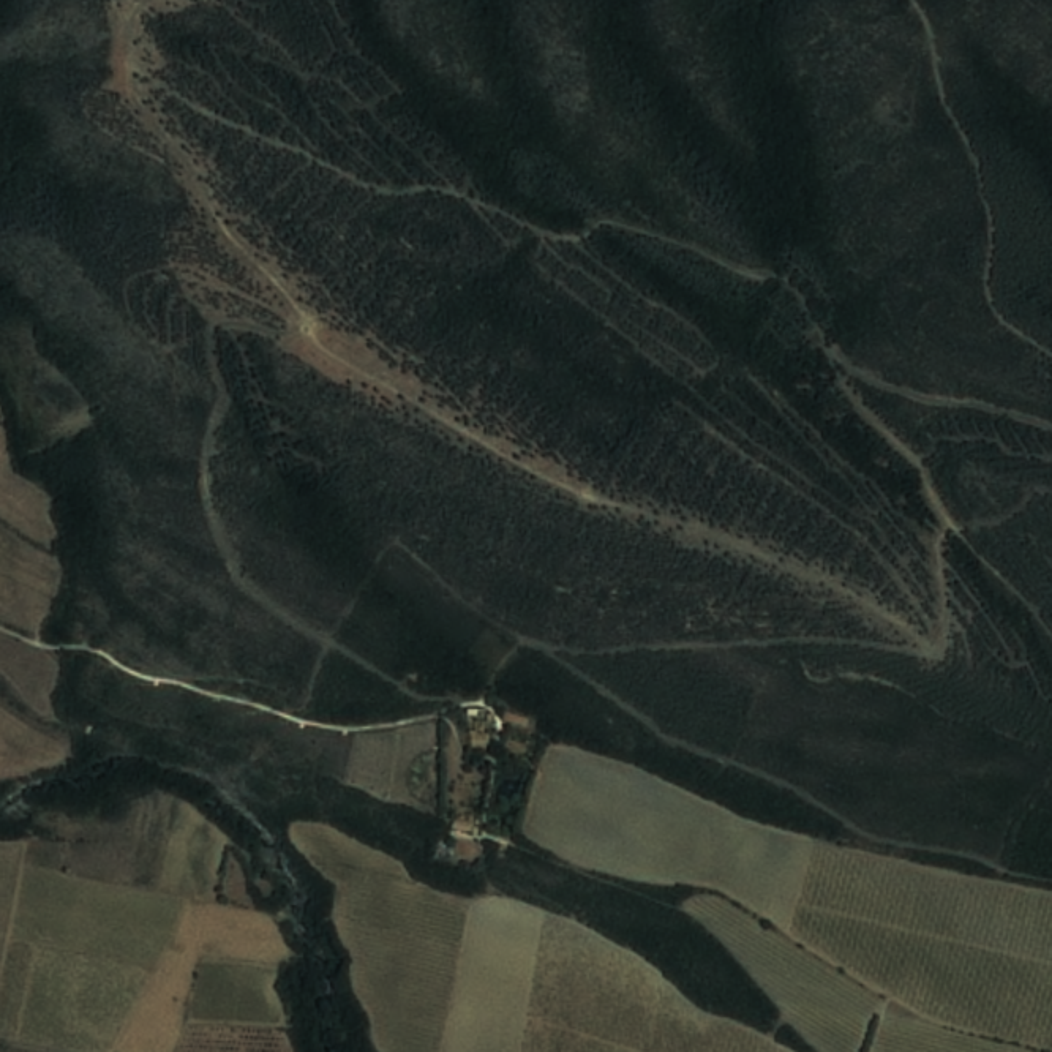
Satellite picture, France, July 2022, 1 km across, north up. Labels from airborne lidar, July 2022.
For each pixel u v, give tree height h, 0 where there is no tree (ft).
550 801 0
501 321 21
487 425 36
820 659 21
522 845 18
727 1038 0
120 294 26
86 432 38
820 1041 0
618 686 20
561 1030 0
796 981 0
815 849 0
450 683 20
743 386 20
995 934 0
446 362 34
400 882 0
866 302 21
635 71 26
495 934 0
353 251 38
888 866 0
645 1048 0
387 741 0
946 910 0
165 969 0
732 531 34
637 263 46
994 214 32
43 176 35
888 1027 0
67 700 32
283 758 0
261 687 19
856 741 0
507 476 34
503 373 33
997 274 34
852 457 37
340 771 0
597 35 24
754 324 44
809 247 34
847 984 0
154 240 21
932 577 46
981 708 22
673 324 38
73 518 34
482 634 0
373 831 19
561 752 0
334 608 0
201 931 0
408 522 31
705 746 23
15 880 0
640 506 24
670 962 20
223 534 0
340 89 40
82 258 24
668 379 25
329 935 39
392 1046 0
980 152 35
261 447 43
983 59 17
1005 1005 0
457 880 24
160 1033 0
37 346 24
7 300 36
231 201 33
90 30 0
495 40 28
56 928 0
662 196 28
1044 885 19
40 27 0
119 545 0
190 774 37
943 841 0
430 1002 0
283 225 41
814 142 22
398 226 30
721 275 19
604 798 0
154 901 0
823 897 0
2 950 0
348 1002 25
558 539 28
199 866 0
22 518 0
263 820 31
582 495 0
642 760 22
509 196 28
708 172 36
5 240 22
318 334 0
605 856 0
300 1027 42
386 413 29
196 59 42
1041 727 21
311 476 45
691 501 35
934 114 20
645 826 0
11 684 0
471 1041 0
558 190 29
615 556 26
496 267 19
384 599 18
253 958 0
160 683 0
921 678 21
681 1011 0
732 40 33
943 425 30
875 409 33
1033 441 33
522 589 18
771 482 38
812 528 46
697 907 0
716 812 0
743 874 0
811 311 30
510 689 35
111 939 0
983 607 32
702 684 20
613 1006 0
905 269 17
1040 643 37
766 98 46
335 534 24
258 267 0
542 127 27
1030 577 27
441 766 45
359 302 34
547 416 43
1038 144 48
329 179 36
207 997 0
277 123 39
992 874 26
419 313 35
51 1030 0
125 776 61
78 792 61
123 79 0
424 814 23
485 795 28
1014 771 0
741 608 26
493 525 28
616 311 40
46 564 0
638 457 48
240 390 56
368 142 48
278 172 41
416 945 0
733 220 37
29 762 0
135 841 0
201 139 32
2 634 0
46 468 47
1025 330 27
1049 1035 0
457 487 29
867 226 17
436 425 29
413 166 37
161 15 32
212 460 28
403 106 38
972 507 23
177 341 38
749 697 18
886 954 0
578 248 43
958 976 0
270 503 26
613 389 22
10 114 34
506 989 0
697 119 26
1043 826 20
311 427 23
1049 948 0
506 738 38
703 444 39
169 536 19
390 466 31
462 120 33
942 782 0
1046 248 31
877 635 26
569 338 26
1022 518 27
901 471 35
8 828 28
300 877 26
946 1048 0
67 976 0
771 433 49
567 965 0
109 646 0
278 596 0
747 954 0
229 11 34
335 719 18
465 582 20
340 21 57
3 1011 0
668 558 31
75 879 0
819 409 29
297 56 30
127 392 0
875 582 33
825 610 21
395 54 41
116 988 0
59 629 22
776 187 47
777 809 23
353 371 0
